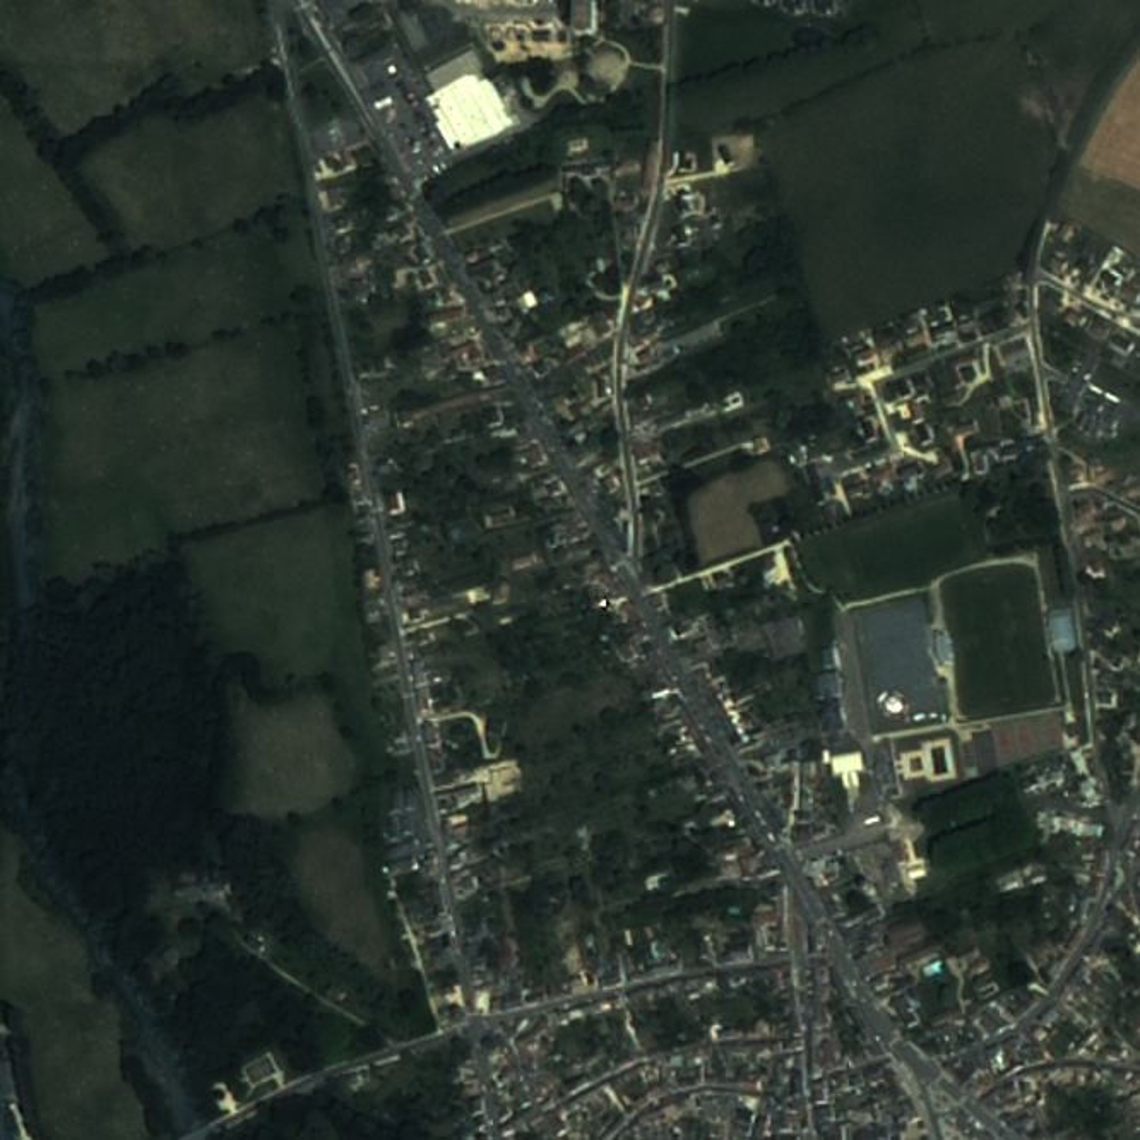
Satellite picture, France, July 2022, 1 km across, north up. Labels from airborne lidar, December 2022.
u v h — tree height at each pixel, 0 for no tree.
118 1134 0
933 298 0
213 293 0
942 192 0
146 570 17
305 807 0
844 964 0
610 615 8
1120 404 0
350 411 8
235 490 0
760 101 0
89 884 17
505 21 0
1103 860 0
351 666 0
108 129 21
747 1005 0
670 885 14
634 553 0
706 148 0
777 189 7
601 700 0
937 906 11
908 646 0
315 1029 17
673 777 7
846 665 0
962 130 0
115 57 0
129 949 24
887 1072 0
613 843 11
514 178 17
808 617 0
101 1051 0
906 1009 0
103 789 17
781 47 0
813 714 8
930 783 0
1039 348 0
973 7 0
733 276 8
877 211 0
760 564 0
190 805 29
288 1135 13
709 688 0
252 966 14
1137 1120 0
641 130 9
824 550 0
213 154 0
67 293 16
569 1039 0
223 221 0
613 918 9
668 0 0
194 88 0
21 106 18
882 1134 0
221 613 0
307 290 8
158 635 35
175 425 0
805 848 0
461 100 0
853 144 0
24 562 0
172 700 37
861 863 0
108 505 0
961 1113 0
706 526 0
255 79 9
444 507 9
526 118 0
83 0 0
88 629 29
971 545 0
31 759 34
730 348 6
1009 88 0
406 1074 0
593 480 0
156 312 0
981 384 0
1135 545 0
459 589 0
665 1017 11
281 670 0
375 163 8
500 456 10
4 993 0
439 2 0
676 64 0
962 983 0
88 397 0
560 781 10
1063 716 0
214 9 0
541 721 0
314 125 0
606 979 0
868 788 0
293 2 0
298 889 10
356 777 0
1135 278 0
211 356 0
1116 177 0
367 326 8
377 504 0
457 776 0
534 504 7
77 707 29
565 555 13
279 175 0
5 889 0
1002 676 0
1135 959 11
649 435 0
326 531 0
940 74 0
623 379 0
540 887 12
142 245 0
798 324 6
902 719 0
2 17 0
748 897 11
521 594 0
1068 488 0
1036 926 7
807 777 0
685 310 6
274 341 0
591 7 0
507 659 7
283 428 0
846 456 0
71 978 0
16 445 0
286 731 0
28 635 19
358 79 0
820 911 0
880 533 0
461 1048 13
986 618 0
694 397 11
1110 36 0
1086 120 0
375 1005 9
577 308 16
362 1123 16
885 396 0
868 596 0
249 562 0
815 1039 0
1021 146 0
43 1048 0
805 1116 0
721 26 0
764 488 0
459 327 0
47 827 18
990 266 0
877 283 0
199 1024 22
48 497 0
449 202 15
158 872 18
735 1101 0
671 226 0
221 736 11
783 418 12
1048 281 0
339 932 0
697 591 0
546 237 8
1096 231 0
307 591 0
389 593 0
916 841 0
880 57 0
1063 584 9
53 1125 0
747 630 0
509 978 0
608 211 11
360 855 0
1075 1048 0
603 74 0
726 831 6
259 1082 0
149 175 0
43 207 0
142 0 0
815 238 0
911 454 0
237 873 16
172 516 0
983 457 0
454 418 0
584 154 0
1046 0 0
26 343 16
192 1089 18
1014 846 32
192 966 20
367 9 15
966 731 0
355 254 7
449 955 0
